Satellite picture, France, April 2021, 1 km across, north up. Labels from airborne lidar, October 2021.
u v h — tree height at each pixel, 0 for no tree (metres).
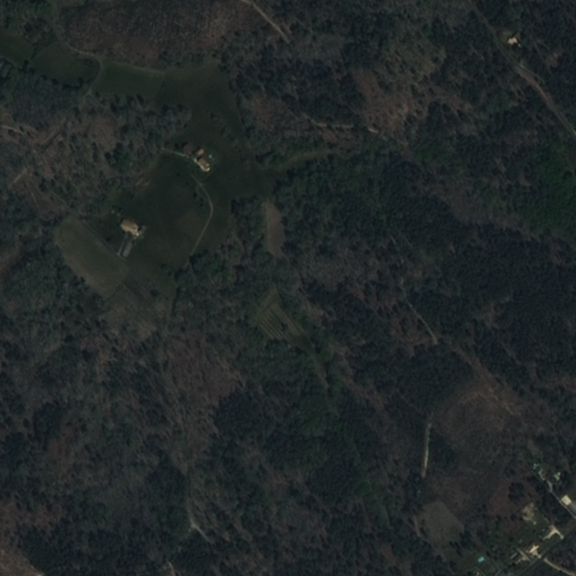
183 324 7
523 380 25
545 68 18
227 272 15
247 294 18
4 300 19
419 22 13
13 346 8
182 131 10
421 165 11
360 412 26
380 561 18
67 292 19
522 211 18
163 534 7
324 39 11
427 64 11
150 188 0
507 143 11
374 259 17
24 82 19
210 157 0
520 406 7
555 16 20
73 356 11
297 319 24
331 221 8
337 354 11
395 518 18
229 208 0
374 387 9
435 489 0
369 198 18
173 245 0
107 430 20
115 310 0
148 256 0
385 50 15
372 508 15
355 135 16
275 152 14
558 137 23
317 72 9
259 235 22
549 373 19
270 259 20
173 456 17
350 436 25
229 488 21
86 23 6
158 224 0
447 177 22
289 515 22
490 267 23
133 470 23
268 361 12
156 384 13
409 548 30
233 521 9
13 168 17
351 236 20
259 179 0
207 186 0
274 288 22
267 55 14
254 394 23
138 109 21
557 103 8
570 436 17
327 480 21
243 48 15
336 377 23
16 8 20
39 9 24
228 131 16
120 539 23
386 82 12
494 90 17
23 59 0
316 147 13
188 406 10
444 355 20
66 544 17
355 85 21
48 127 17
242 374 17
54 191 19
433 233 26
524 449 10
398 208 23
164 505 23
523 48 14
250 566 10
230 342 12
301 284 11
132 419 17
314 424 26
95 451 11
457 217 10
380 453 20
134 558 17
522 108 20
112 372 14
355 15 14
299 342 0
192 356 10
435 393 0
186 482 24
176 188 0
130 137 20
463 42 21
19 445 16
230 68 22
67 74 0
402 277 18
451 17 13
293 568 11
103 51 8
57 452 0
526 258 21
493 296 23
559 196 25
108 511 18
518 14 15
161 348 20
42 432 23
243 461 20
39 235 14
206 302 18
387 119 13
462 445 0
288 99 9
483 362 18
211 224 0
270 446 19
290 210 21
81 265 0
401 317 21
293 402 19
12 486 17
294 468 24
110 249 0
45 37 18
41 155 13
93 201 16
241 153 9
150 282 9
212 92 0
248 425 25
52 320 17
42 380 12
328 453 24
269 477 26
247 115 19
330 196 24
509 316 22
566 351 21
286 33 15
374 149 15
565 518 0
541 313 22
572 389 10
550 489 11
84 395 22
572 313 22
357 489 25
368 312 9
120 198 0
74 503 15
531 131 21
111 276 0
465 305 7
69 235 0
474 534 9
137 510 9
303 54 12
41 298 26
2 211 21
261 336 19
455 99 15
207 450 14
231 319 14
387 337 13
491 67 18
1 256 17
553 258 17
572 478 12
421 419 10
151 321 0
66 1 0
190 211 0
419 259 18
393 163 17
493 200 23
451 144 19
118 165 18
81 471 18
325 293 17
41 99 19
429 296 10
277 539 9
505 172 18
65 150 18
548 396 21
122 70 0
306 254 13
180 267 0
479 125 22
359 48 14
